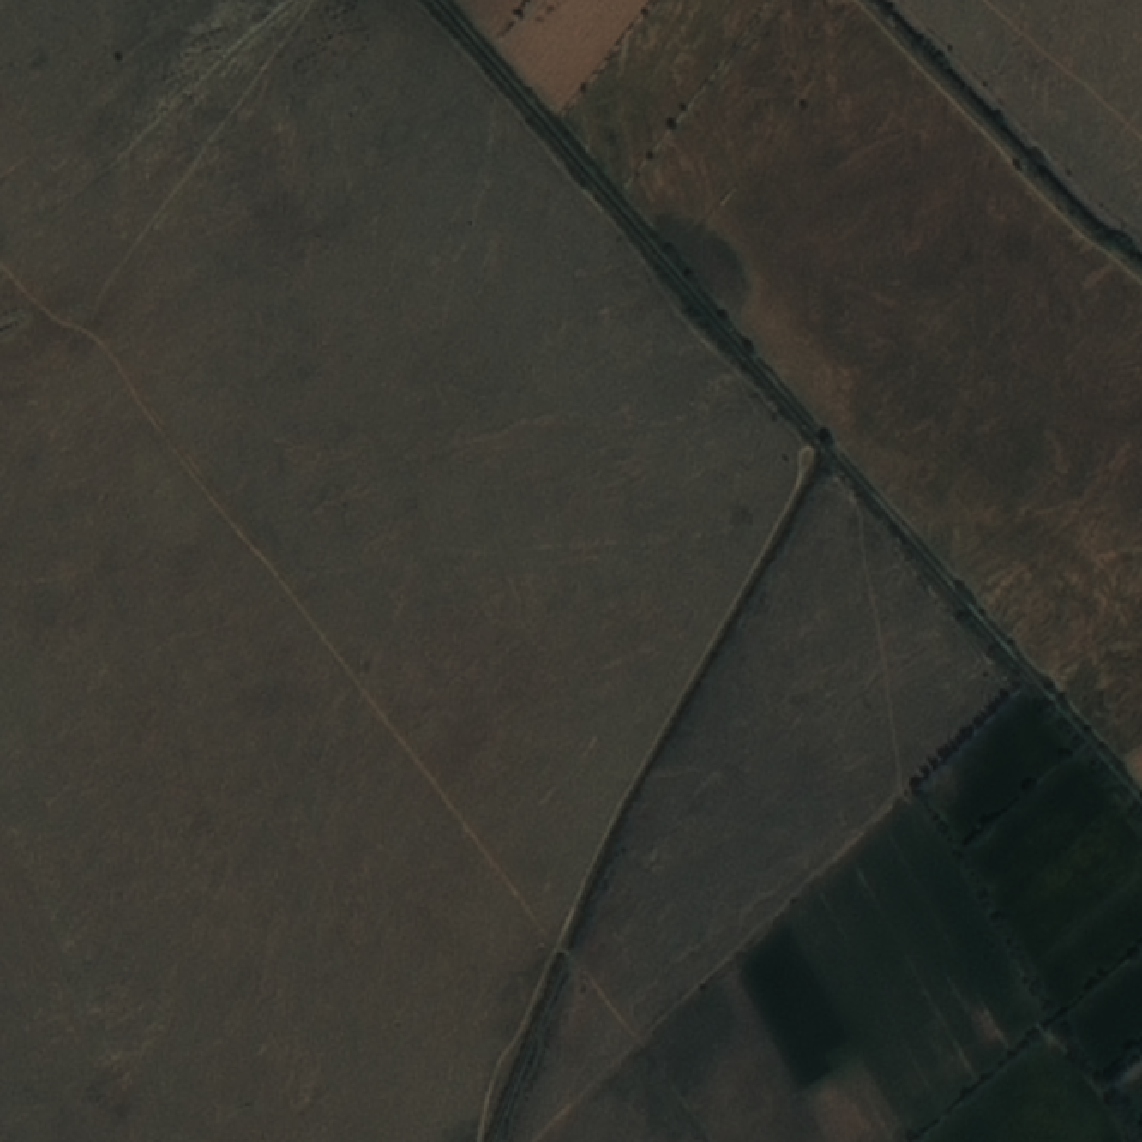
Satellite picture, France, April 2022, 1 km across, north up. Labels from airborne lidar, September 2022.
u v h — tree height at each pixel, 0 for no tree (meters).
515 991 0
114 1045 0
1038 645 0
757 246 0
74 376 0
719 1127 0
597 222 0
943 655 0
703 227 0
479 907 0
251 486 0
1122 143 0
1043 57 0
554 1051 0
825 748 0
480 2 0
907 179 0
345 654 0
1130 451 0
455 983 0
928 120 0
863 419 0
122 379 0
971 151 0
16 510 0
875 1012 0
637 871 0
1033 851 0
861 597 0
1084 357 0
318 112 0
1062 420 0
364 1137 0
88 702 0
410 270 0
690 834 0
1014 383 0
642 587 0
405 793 0
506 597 0
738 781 0
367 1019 0
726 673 0
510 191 0
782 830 0
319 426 0
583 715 0
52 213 0
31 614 0
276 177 0
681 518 0
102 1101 0
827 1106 0
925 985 0
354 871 0
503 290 0
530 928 0
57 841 0
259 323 0
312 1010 0
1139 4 0
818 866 0
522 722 0
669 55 0
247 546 0
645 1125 0
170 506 0
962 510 0
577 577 0
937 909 0
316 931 0
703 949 0
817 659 0
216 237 0
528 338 0
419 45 0
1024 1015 0
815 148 0
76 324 0
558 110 0
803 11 0
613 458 0
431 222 0
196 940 0
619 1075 0
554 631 0
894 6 6
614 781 0
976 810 0
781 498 0
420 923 0
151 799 0
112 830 0
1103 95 0
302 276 0
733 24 0
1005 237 0
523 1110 0
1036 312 0
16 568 0
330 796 0
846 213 0
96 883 0
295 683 0
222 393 0
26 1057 0
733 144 0
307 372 0
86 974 0
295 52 0
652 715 0
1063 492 0
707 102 0
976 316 0
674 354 0
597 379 0
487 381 0
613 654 0
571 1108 0
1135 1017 0
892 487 0
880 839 0
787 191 0
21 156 0
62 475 0
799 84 0
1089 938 0
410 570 0
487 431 0
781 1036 0
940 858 0
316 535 0
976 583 0
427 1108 0
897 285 0
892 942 0
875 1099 0
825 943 0
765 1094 0
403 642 0
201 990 0
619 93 0
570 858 0
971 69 0
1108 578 0
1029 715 0
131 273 0
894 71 0
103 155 0
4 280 0
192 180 0
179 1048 0
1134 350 0
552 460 0
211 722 0
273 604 0
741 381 0
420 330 0
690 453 0
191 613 0
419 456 0
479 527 0
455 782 0
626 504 0
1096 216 0
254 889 0
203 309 0
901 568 0
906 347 0
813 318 0
